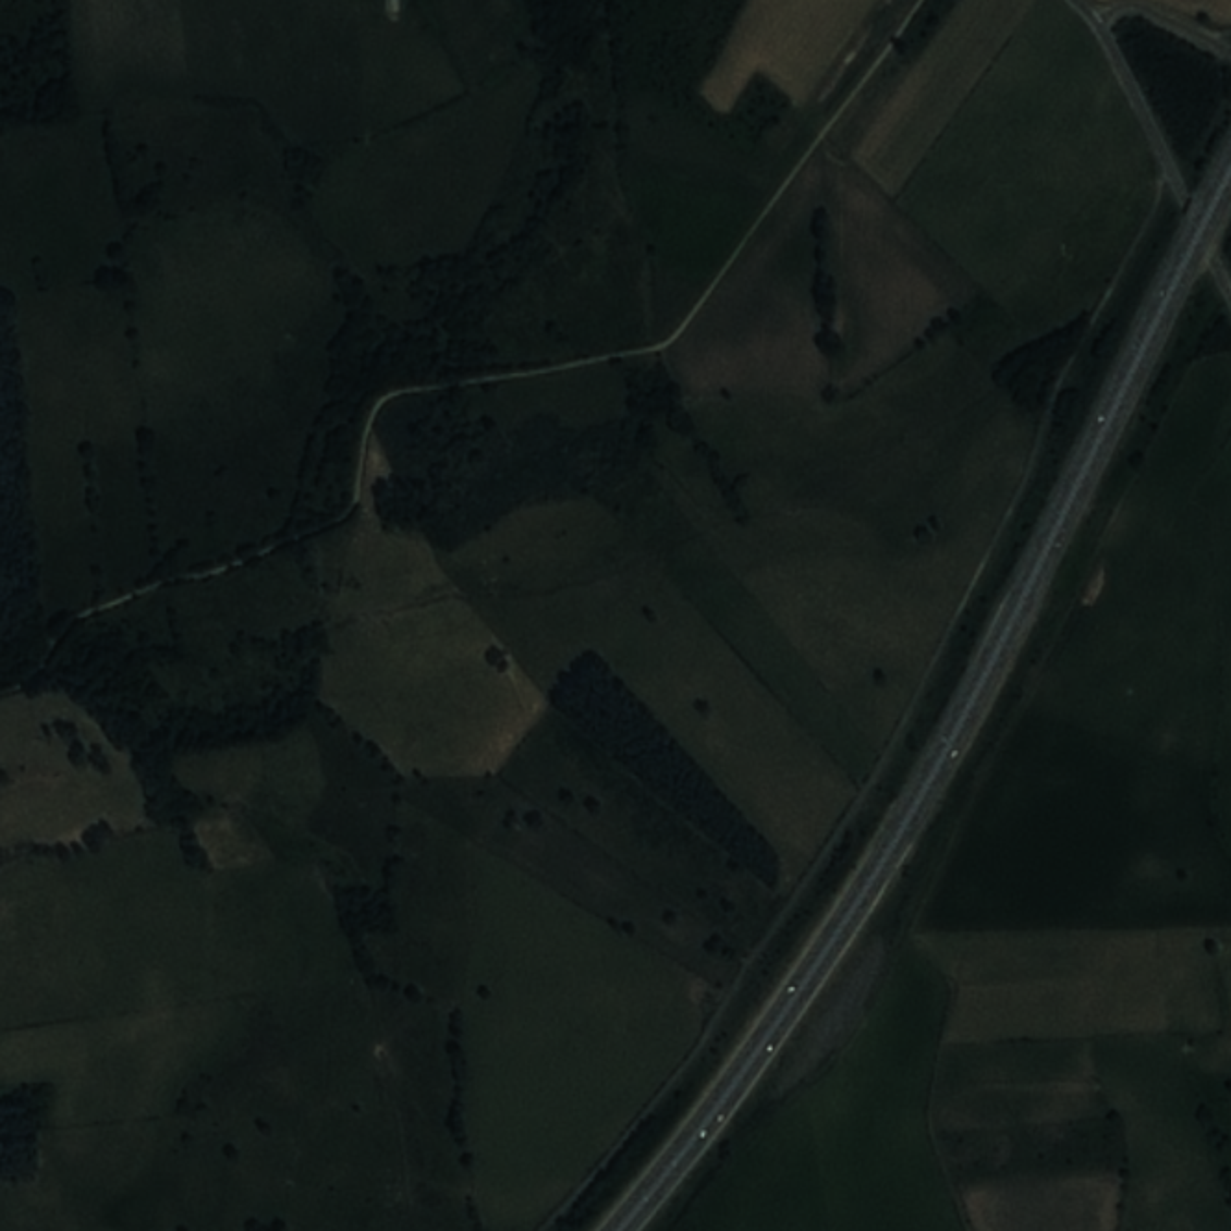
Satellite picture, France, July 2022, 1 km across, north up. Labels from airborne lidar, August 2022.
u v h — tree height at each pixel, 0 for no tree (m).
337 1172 0
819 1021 0
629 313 0
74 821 0
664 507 0
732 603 0
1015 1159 0
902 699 0
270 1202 0
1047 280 0
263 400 0
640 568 0
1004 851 0
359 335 9
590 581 0
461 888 0
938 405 0
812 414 0
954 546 0
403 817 0
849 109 0
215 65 0
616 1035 0
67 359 0
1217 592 0
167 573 9
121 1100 0
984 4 0
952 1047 0
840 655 0
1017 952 0
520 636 0
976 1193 0
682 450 0
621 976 0
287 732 12
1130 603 0
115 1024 0
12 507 26
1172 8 0
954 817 0
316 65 0
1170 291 0
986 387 0
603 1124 0
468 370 10
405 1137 0
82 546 0
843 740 0
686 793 20
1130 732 0
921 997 0
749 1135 0
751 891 0
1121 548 0
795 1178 0
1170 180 0
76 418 0
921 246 0
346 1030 0
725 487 11
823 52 0
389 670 0
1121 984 0
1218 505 0
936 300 0
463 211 0
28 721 0
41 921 0
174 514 0
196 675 0
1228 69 9
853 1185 0
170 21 0
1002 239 0
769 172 0
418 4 0
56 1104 0
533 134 7
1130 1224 0
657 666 0
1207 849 0
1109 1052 0
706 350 0
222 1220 0
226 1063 0
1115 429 0
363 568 0
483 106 0
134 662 16
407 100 0
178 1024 0
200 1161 0
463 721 0
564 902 0
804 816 0
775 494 0
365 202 0
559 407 0
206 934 0
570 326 0
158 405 0
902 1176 0
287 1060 0
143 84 0
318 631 8
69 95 13
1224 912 0
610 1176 9
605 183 0
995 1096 0
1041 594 0
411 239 0
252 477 0
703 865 0
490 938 0
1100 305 0
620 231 0
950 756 0
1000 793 0
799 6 0
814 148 0
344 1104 0
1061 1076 0
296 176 7
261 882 0
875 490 0
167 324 0
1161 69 10
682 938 0
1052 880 0
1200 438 0
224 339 0
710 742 0
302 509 7
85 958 0
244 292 0
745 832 18
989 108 0
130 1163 0
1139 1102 0
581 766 0
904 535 0
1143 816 0
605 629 0
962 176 0
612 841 0
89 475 13
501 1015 0
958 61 0
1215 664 0
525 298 0
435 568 0
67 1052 0
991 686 0
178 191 0
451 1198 0
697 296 0
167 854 0
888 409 0
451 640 0
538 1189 0
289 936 0
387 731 0
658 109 0
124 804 0
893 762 0
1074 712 0
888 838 0
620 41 7
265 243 0
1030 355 11
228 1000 0
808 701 0
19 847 0
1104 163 0
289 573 0
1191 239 0
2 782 8
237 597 0
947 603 0
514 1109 0
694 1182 0
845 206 0
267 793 0
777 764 0
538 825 16
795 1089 0
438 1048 0
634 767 18
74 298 0
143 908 0
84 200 0
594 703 20
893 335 0
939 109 0
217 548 0
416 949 0
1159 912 0
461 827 0
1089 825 0
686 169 0
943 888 0
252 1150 0
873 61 0
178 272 0
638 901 0
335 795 0
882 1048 0
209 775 0
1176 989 0
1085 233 0
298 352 0
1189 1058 0
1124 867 0
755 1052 0
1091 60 0
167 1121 0
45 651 10
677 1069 0
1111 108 0
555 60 8
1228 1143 7
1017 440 0
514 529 0
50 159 0
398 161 0
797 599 0
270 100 0
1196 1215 0
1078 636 0
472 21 0
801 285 0
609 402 0
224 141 0
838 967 0
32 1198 0
